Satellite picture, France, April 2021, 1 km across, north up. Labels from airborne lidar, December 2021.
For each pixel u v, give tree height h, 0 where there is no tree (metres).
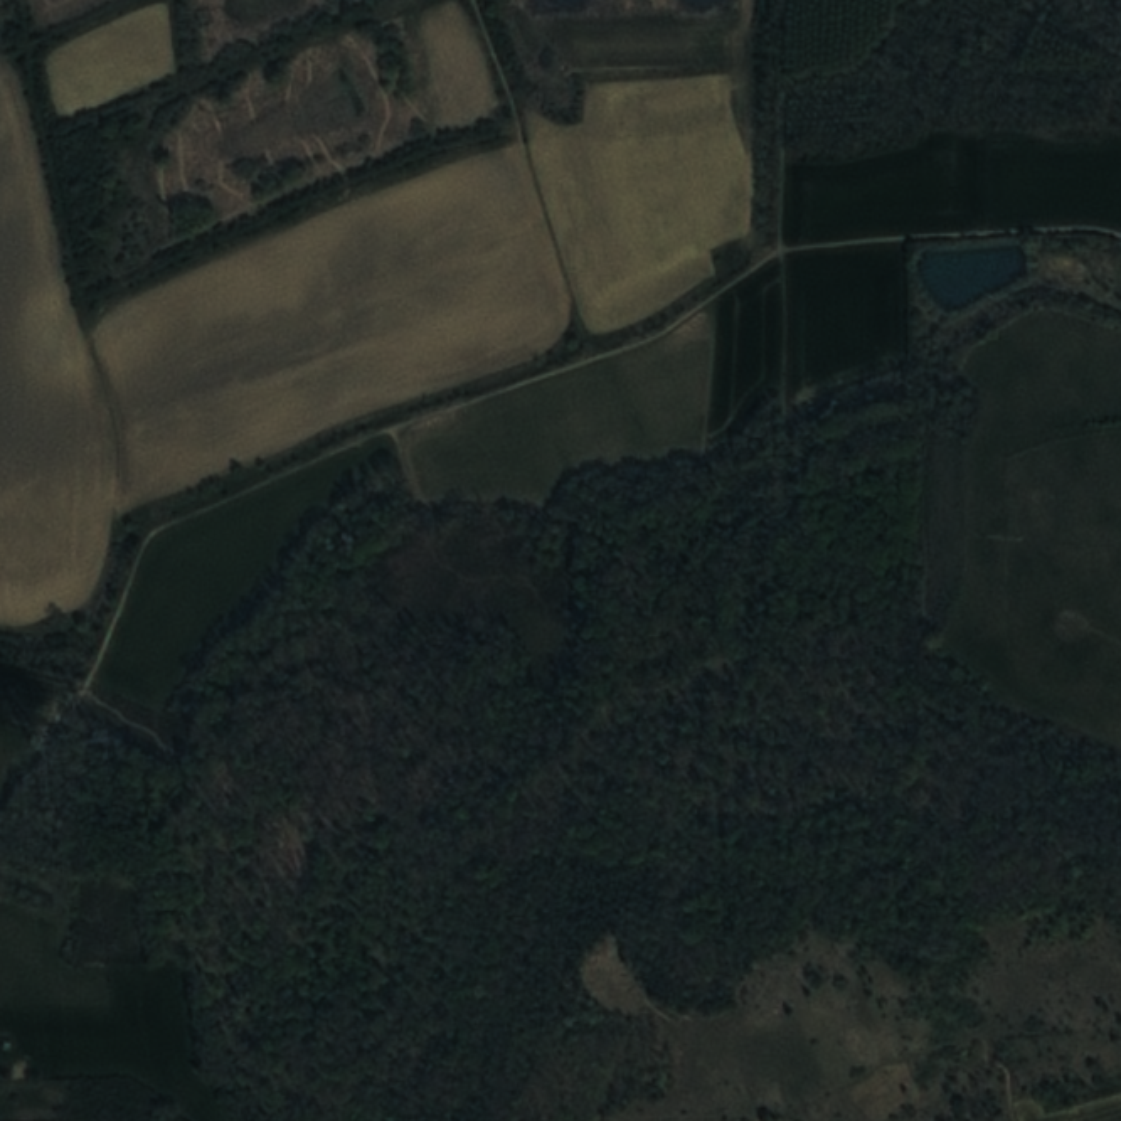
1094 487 0
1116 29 18
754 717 30
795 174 0
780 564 16
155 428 0
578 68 0
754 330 0
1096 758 20
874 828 21
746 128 0
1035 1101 12
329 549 21
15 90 0
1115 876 20
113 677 0
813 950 0
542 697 21
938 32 7
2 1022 0
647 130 0
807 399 0
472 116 0
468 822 19
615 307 0
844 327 0
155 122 6
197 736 26
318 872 20
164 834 25
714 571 28
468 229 0
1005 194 0
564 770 25
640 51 0
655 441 0
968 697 17
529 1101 19
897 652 20
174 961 14
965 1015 6
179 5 7
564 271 0
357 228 0
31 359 0
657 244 0
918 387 22
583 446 0
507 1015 14
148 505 0
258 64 0
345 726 24
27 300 0
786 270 0
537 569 10
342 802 17
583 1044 21
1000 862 24
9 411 0
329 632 28
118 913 0
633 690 26
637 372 0
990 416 0
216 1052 26
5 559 0
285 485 0
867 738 22
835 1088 0
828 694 26
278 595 26
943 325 9
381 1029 21
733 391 0
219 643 22
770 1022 0
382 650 23
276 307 0
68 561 0
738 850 18
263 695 29
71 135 6
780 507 29
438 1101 12
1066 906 12
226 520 0
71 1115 7
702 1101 0
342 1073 21
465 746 24
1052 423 0
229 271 0
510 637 26
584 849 18
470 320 0
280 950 27
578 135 0
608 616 22
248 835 22
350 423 0
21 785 25
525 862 18
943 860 18
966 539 0
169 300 0
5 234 0
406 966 21
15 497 0
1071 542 0
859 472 19
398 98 6
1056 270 0
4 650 14
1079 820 20
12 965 0
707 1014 11
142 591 0
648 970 17
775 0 23
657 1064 8
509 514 17
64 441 0
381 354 0
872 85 13
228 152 0
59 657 20
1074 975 0
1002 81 9
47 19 0
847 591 22
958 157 0
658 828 19
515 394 0
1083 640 0
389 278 0
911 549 19
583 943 14
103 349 0
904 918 21
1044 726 9
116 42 0
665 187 0
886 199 0
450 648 18
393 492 11
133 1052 0
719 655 31
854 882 8
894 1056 0
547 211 0
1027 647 0
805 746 27
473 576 5
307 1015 22
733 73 0
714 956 18
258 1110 23
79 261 7
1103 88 21
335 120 0
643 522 23
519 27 0
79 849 21
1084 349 0
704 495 24
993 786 22
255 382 0
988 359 0
